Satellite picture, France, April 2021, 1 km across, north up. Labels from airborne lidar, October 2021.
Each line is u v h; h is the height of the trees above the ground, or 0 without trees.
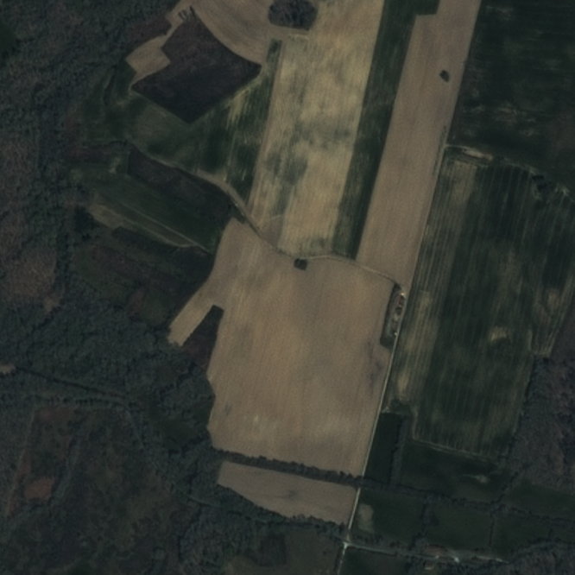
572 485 17
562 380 12
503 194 0
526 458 19
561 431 19
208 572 18
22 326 21
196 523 11
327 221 0
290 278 0
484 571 14
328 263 0
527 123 0
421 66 0
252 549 22
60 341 19
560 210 0
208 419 0
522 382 0
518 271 0
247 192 0
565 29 0
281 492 0
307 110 0
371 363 0
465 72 0
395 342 0
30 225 20
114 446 0
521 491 0
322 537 15
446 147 0
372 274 0
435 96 0
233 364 0
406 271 0
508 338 0
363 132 0
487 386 0
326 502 0
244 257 0
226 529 19
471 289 0
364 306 0
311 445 0
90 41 16
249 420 0
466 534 0
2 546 10
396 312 0
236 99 0
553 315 0
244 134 0
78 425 7
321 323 0
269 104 0
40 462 0
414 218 0
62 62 14
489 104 0
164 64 0
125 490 0
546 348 0
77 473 7
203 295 0
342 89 0
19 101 9
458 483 0
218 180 0
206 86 0
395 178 0
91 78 19
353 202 0
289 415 0
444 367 0
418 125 0
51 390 19
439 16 0
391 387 0
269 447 0
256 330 0
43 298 11
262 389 0
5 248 15
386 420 0
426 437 0
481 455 0
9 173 14
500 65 0
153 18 13
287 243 0
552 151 0
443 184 0
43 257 17
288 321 0
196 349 0
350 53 0
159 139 0
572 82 0
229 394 0
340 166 0
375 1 0
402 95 0
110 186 0
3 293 18
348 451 0
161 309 0
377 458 0
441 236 0
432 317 0
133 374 23
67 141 6
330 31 0
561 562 10
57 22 11
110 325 25
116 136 0
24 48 22
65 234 8
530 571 12
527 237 0
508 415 0
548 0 0
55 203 9
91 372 19
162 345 25
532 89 0
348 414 0
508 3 0
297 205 0
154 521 0
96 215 0
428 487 0
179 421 0
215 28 0
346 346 0
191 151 0
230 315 0
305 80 0
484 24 0
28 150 17
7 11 11
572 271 0
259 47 0
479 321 0
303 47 0
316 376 0
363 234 0
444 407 0
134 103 0
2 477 19
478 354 0
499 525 0
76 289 15
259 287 0
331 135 0
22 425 15
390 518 0
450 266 0
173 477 17
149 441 17
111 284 0
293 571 0
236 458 12
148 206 0
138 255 0
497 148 0
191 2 0
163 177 0
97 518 0
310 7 15
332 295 0
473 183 0
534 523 11
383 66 0
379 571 0
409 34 0
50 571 0
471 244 0
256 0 0
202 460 22
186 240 0
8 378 15
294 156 0
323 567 0
